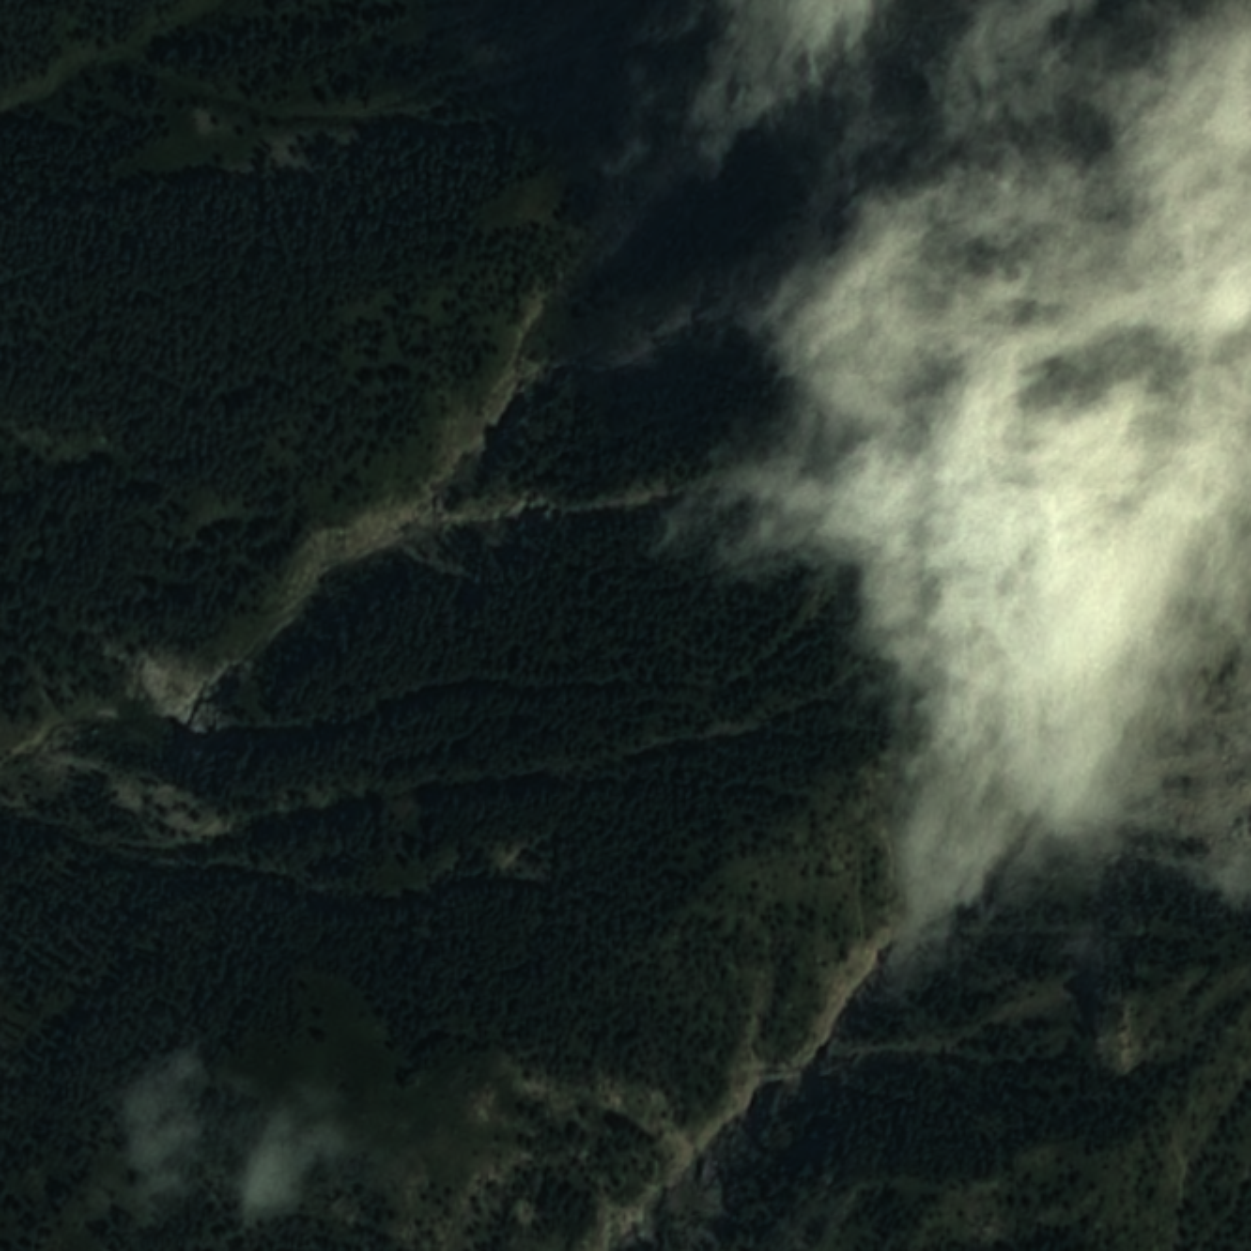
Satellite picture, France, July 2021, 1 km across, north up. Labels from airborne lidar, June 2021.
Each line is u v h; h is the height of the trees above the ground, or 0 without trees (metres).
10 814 7
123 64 0
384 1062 0
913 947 0
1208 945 9
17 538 32
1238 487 0
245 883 21
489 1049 10
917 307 0
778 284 0
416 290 18
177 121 0
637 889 9
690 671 12
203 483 21
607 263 0
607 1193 12
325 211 26
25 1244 12
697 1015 8
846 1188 9
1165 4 0
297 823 12
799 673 11
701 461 12
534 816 21
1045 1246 13
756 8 0
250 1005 32
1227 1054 0
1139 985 14
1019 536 0
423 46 7
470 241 18
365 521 0
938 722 9
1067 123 0
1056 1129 13
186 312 25
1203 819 0
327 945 28
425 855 19
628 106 7
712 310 0
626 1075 11
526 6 8
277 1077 0
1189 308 0
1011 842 0
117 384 23
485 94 8
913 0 0
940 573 8
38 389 24
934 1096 14
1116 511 6
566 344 0
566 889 12
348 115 0
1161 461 0
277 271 27
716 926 12
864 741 13
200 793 18
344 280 20
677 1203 0
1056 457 16
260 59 22
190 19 0
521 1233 6
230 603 25
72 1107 33
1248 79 0
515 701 17
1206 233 0
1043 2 0
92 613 14
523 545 11
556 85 8
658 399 14
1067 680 7
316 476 15
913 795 5
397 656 27
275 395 26
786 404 9
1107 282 0
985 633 7
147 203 32
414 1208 0
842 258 0
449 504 6
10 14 20
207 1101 27
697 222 12
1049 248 0
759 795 13
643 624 10
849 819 0
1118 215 0
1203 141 0
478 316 10
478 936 23
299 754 23
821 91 0
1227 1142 6
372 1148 0
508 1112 0
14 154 15
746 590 15
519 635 19
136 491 22
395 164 18
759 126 0
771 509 17
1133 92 0
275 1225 8
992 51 0
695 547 14
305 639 8
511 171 26
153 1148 24
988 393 9
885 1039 7
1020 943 14
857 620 7
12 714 24
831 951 0
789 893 0
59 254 22
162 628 19
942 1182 7
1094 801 0
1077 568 7
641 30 7
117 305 22
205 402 25
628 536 12
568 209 19
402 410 18
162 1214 22
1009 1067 18
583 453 9
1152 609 0
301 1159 21
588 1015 13
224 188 32
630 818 14
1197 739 0
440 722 25
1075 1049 11
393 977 19
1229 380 0
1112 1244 13
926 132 0
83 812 15
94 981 33
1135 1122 8
